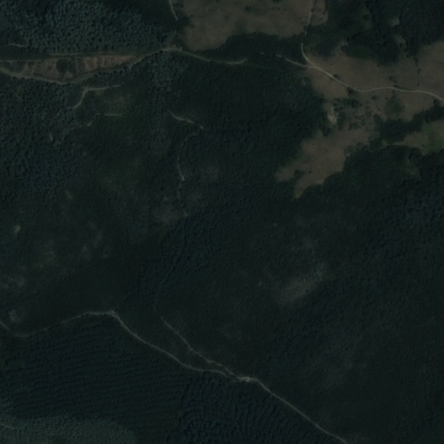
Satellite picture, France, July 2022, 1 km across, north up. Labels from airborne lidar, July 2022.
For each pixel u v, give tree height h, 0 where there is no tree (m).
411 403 16
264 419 28
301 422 27
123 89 7
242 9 0
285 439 29
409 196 26
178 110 9
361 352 6
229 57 9
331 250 14
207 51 9
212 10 0
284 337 12
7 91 18
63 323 9
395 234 16
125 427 11
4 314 11
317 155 0
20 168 25
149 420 12
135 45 29
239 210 16
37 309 13
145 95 11
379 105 0
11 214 13
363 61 0
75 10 27
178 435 29
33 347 15
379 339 7
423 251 6
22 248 10
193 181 8
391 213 8
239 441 29
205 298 10
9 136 17
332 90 0
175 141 12
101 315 8
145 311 14
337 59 0
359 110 0
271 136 19
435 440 12
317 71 0
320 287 11
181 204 8
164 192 7
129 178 10
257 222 9
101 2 17
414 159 23
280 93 7
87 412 10
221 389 20
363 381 7
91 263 12
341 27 13
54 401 14
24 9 17
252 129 24
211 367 8
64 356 15
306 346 10
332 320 7
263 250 15
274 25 0
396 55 12
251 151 11
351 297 7
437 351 14
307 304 12
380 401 10
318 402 12
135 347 26
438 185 18
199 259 9
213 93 15
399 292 8
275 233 6
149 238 14
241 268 11
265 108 18
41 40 32
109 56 0
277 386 9
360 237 16
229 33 0
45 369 11
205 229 17
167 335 8
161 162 8
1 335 10
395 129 16
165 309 10
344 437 8
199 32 0
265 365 6
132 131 9
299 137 17
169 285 8
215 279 9
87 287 13
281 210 9
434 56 0
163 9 12
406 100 0
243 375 11
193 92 15
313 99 10
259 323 14
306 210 9
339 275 8
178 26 9
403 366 13
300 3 0
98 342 16
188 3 0
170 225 10
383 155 18
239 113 15
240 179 9
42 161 24
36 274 9
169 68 26
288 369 10
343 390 8
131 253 15
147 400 16
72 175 22
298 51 9
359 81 0
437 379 8
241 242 12
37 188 22
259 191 13
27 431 10
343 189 13
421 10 15
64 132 19
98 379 15
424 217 11
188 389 23
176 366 13
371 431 10
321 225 7
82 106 6
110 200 20
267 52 13
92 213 9
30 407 10
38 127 15
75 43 25
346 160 8
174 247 9
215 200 11
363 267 7
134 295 10
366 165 11
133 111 14
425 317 10
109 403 10
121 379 16
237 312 8
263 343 13
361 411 8
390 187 11
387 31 13
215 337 8
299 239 8
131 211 12
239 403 26
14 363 18
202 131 13
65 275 9
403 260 14
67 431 14
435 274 7
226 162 9
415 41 11
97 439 13
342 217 7
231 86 14
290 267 10
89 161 14
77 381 13
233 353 8
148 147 12
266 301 13
